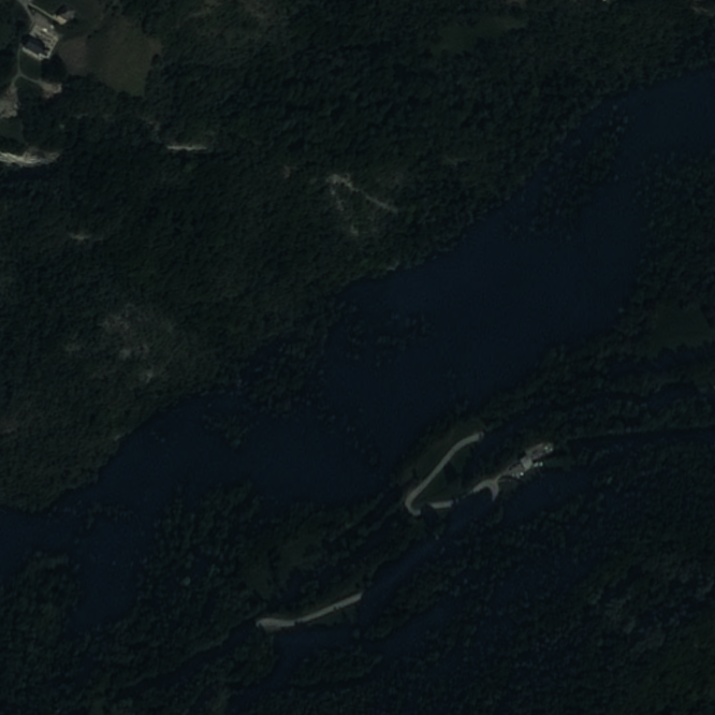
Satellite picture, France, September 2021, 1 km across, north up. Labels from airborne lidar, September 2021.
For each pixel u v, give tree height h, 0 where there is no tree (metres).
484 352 20
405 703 35
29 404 19
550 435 23
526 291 27
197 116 18
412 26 27
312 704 33
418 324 42
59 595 24
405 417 26
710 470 35
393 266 34
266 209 25
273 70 31
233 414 37
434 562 22
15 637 20
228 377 22
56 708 18
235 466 34
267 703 32
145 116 11
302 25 25
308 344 14
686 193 30
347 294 7
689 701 35
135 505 23
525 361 18
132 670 23
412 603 28
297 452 35
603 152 31
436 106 39
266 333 23
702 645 26
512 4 7
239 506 26
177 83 22
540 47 25
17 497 15
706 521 26
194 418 27
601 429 25
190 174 26
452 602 14
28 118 19
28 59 0
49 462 12
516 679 28
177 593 24
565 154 16
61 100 20
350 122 38
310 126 22
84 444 21
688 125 33
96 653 20
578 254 32
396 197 16
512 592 33
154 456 33
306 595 22
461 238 24
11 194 16
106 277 11
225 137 17
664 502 32
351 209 9
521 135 33
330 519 46
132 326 7
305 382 20
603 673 27
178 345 16
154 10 14
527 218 32
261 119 28
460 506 0
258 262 27
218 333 18
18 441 22
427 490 0
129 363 12
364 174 11
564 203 40
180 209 31
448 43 0
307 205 23
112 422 8
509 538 28
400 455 27
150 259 17
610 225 24
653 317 20
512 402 23
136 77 0
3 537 31
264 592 0
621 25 26
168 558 33
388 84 31
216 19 8
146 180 21
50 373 22
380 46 6
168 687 19
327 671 33
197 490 27
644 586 23
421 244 27
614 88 14
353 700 33
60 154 17
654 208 26
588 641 26
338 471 30
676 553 19
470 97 18
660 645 31
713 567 29
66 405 21
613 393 19
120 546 25
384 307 15
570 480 0
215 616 30
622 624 19
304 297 33
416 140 26
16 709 20
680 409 33
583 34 20
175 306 19
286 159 18
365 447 28
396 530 27
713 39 37
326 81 29
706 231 30
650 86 19
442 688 36
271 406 24
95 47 0
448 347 32
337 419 16
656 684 29
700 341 0
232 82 17
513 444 29
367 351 26
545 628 32
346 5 25
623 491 29
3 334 13
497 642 32
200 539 33
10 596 22
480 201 11
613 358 10
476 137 23
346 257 24
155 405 16
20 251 18
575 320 31
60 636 21
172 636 30
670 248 26
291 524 25
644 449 26
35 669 19
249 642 31
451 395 23
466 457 0
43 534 28
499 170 24
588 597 23
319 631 0
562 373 25
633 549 25
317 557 9
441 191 29
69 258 25
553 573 33
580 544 29
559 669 34
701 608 18
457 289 25
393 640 0
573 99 21
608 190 27
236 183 22
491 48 24
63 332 19
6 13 5
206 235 32
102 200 25
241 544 36
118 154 24
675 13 15
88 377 16
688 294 16
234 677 25
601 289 32
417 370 36
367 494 21
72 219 19
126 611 19
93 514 23
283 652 0
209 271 21
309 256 31
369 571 26
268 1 8
